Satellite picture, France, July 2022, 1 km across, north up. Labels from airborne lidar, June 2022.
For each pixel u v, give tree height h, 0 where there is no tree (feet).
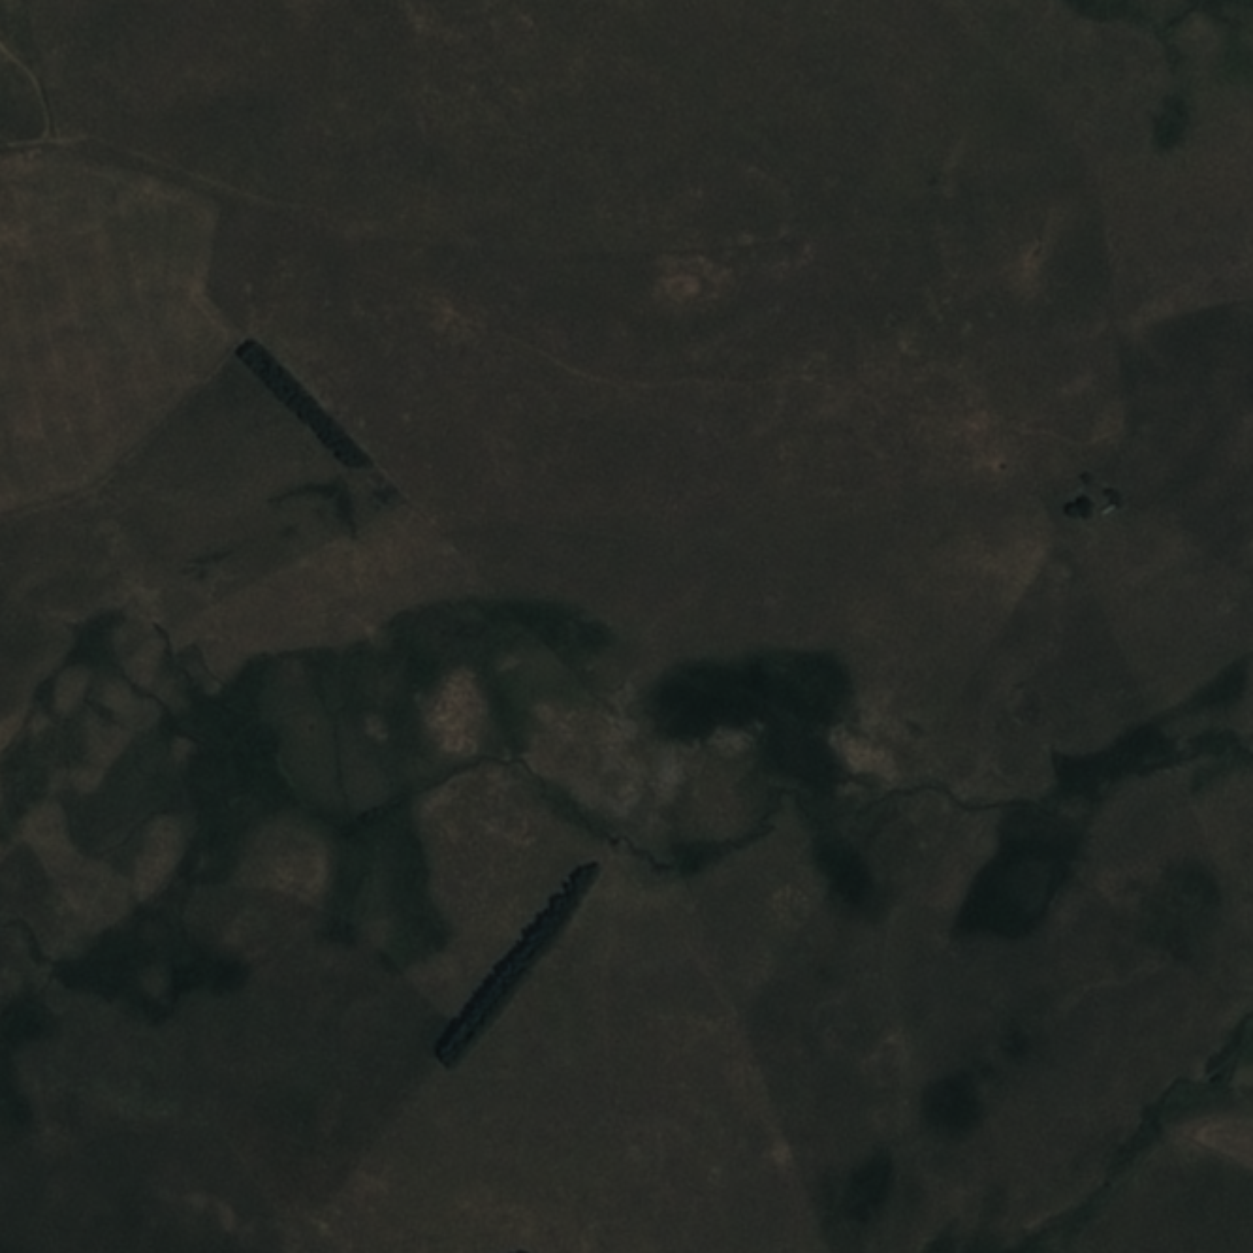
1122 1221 0
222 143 0
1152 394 0
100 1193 0
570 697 0
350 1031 0
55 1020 0
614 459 0
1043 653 0
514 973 64
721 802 0
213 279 0
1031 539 0
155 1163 0
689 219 0
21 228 0
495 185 0
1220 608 0
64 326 0
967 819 0
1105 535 0
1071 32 0
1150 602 0
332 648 0
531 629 0
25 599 0
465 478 0
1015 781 0
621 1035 0
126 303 0
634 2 0
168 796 0
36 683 0
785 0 0
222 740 0
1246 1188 0
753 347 0
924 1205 0
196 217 0
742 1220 0
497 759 0
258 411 0
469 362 0
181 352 0
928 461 0
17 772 0
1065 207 0
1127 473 0
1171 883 0
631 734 0
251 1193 0
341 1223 0
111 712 0
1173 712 0
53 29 0
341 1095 0
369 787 0
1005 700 0
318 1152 0
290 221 0
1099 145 0
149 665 0
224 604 0
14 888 0
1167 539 0
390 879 0
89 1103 0
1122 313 0
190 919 0
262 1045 0
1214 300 0
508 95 0
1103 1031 0
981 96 0
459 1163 0
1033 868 0
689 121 0
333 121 0
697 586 0
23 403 0
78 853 0
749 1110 0
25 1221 0
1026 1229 0
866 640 0
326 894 0
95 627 0
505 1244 0
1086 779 0
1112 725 0
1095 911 0
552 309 0
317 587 0
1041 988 0
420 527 0
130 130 0
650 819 0
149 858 0
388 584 0
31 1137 0
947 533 0
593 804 0
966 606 0
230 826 0
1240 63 0
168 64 0
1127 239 0
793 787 0
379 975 0
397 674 0
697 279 0
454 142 0
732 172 0
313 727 0
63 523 0
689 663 0
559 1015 0
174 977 0
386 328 0
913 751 0
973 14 0
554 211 0
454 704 0
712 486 0
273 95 0
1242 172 0
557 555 0
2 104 0
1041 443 0
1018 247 0
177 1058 0
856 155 0
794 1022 0
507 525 0
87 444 0
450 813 0
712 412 0
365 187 0
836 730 0
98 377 0
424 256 0
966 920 0
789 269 0
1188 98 0
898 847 0
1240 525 0
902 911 0
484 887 0
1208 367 0
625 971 0
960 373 0
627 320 0
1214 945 0
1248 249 0
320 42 0
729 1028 0
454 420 0
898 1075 0
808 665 0
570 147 0
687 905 0
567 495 0
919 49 0
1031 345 0
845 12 0
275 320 0
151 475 0
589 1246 0
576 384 0
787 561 0
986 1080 0
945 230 0
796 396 0
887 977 0
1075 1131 0
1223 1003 0
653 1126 0
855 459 0
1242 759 0
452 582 0
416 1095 0
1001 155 0
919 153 0
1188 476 0
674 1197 0
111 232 0
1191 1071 0
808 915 0
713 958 0
